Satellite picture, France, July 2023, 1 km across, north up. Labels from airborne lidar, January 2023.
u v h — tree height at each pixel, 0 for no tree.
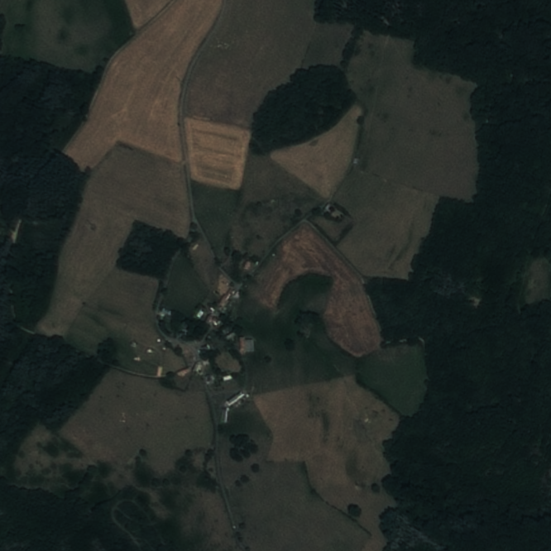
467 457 16
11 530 14
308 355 0
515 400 23
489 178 20
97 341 0
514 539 21
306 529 0
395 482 19
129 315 0
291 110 11
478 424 20
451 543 19
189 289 0
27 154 19
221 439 0
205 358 14
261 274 0
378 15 19
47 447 0
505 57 23
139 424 0
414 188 0
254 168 0
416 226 0
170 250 14
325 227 0
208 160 0
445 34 28
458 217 20
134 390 0
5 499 19
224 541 0
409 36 16
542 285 0
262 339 0
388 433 0
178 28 0
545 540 24
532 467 18
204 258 0
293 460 0
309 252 0
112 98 0
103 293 0
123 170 0
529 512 30
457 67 20
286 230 0
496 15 12
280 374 0
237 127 0
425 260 14
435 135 0
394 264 0
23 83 20
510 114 23
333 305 0
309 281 0
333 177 0
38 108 18
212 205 0
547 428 8
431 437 11
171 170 0
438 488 30
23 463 0
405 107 0
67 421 12
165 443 0
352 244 0
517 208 19
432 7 22
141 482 0
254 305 0
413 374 0
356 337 0
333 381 0
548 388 25
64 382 11
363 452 0
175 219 0
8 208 21
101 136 0
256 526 0
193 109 0
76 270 0
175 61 0
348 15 17
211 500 0
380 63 0
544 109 29
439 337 15
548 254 20
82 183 16
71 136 0
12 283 17
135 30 0
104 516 6
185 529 0
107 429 0
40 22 0
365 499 0
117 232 0
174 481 0
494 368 23
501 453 14
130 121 0
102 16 0
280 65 0
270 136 10
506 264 17
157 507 0
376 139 0
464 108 0
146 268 12
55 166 24
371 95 0
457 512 20
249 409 0
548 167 24
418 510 16
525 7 22
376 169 0
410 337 9
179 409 0
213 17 0
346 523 0
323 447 0
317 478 0
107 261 0
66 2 0
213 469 8
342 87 15
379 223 0
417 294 14
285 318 0
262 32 0
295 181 0
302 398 0
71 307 0
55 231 0
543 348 11
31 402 21
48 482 0
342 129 0
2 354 19
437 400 8
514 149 26
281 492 0
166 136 0
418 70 0
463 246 17
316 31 0
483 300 18
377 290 10
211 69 0
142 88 0
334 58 0
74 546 6
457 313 19
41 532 20
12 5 0
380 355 0
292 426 0
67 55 0
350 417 0
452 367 14
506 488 21
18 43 0
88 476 11
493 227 24
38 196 20
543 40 16
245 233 0
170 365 0
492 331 22
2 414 17
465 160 0
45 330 0
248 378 0
